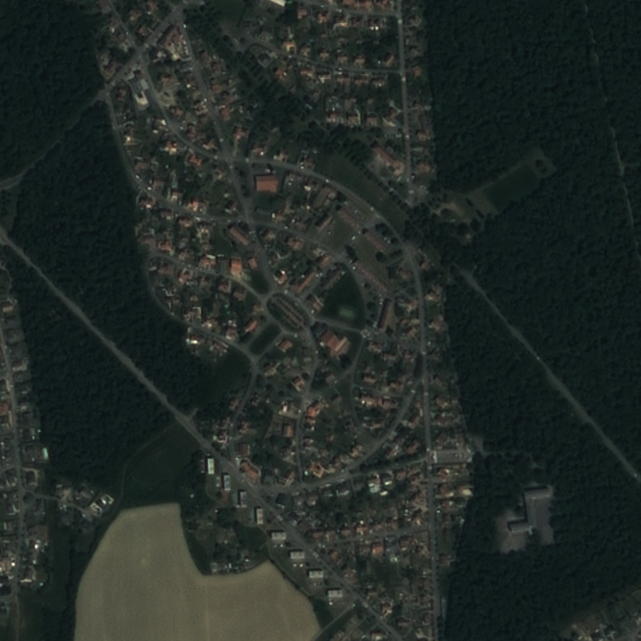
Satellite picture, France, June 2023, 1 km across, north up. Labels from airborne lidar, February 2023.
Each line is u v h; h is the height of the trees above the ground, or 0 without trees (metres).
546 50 20
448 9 18
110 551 0
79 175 24
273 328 0
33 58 27
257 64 9
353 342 0
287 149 6
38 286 18
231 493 0
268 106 13
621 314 23
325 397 0
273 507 0
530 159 0
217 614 0
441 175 11
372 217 0
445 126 20
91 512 0
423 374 0
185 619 0
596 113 23
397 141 0
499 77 22
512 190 0
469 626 23
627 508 21
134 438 19
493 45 21
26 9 26
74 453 23
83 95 21
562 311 26
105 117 14
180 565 0
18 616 0
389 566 0
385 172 0
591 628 0
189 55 0
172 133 0
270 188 0
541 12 25
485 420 12
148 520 0
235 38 0
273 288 0
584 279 23
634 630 0
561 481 21
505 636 22
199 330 0
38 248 23
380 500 0
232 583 0
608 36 24
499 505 19
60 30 26
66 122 13
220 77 0
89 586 0
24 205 15
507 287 27
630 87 24
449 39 13
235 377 0
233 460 0
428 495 0
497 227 19
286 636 0
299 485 0
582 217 20
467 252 17
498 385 22
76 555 9
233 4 0
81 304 19
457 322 17
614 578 22
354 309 0
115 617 0
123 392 22
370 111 0
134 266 17
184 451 0
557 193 21
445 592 0
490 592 22
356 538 0
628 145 18
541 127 23
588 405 22
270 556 0
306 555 0
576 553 20
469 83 16
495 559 18
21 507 0
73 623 7
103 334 18
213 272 0
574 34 20
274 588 0
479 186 12
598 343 20
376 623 0
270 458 9
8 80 22
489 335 18
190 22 11
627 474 16
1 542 0
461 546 12
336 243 0
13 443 0
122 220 21
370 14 0
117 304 18
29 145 23
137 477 0
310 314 0
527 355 15
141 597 0
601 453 13
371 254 0
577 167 22
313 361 0
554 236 23
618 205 22
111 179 22
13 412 0
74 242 13
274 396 0
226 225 0
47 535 0
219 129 0
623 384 23
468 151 24
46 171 20
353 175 0
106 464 19
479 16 21
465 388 18
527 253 22
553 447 16
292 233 0
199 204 0
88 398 22
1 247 11
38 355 21
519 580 20
